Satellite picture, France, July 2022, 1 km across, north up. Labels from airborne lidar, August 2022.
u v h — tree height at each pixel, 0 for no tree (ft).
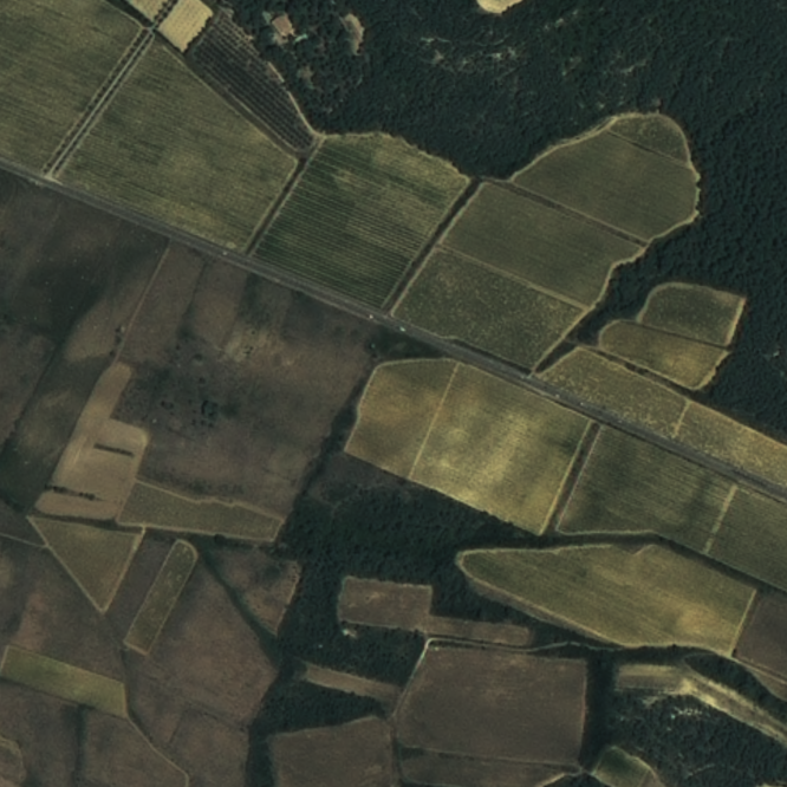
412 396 0
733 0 44
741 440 0
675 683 0
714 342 0
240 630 0
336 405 0
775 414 27
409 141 30
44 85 0
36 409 0
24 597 0
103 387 0
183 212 0
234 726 0
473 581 0
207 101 0
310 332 0
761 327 30
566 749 0
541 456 0
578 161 0
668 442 0
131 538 0
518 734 0
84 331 0
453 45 24
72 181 0
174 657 0
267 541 0
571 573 0
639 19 34
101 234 0
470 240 0
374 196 0
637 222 0
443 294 0
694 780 23
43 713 0
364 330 0
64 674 0
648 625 0
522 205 0
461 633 0
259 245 0
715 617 0
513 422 0
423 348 0
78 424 0
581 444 0
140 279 0
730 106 41
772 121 35
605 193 0
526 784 0
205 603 0
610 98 26
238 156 0
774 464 0
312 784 0
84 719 0
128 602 0
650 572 0
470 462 0
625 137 0
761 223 51
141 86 0
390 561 48
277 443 0
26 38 0
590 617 0
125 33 0
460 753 0
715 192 47
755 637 0
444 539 34
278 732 0
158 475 0
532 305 0
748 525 0
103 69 0
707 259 49
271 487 0
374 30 31
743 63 24
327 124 43
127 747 0
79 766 0
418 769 0
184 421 0
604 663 29
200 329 0
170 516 0
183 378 0
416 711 0
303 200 0
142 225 0
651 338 0
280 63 47
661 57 33
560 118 29
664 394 0
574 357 0
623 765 0
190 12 0
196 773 0
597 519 0
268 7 47
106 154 0
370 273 0
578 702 0
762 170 36
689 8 42
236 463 0
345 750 0
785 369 24
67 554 0
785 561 0
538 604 0
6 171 0
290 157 0
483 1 0
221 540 36
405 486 0
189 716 0
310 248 0
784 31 24
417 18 22
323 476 0
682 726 27
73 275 0
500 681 0
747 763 29
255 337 0
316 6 48
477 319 0
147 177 0
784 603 0
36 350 0
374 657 30
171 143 0
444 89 30
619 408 0
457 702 0
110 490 0
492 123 26
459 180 0
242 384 0
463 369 0
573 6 29
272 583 0
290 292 0
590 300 0
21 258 0
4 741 0
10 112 0
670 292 0
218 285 0
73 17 0
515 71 31
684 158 0
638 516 0
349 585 0
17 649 0
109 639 0
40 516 0
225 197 0
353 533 31
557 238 0
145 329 0
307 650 29
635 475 0
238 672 0
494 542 23
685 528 0
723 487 0
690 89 40
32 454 0
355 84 33
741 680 19
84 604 0
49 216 0
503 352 0
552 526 0
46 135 0
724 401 35
